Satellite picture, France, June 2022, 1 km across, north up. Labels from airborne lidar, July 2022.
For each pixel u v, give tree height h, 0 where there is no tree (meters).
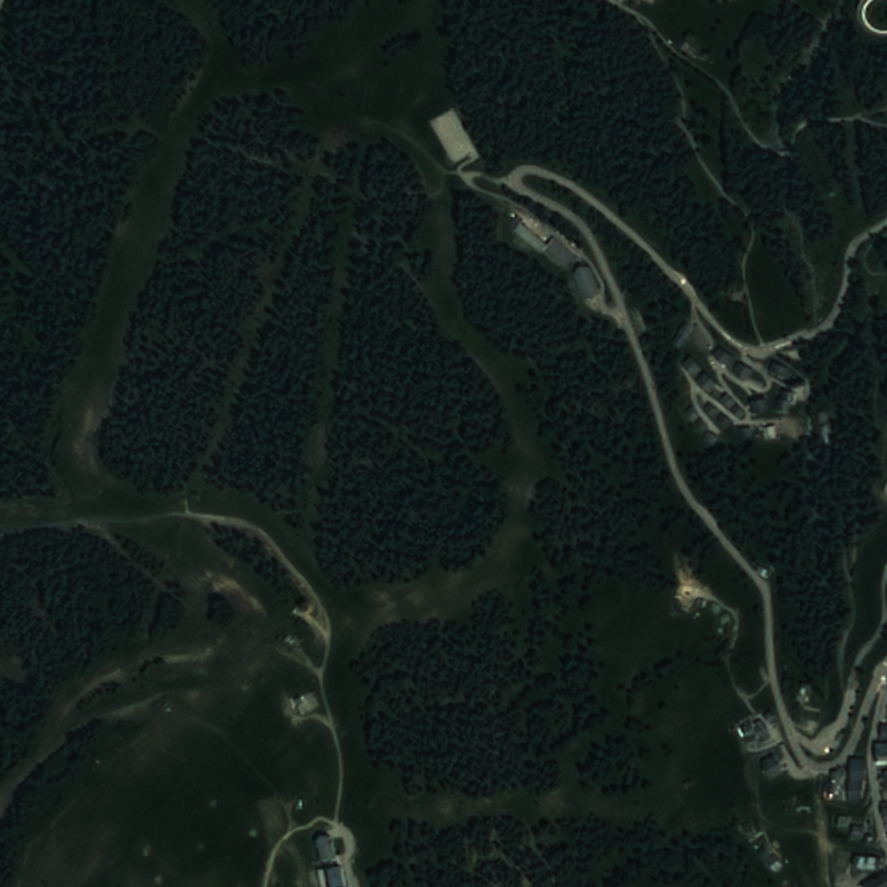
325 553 22
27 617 13
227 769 0
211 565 0
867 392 23
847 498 22
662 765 0
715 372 0
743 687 0
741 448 11
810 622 15
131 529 0
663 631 0
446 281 0
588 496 30
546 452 0
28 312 15
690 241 29
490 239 24
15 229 32
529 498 0
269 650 0
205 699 0
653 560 21
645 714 0
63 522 0
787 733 0
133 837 0
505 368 0
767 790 0
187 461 25
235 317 25
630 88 28
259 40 32
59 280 8
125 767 0
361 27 0
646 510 15
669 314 24
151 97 17
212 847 0
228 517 0
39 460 14
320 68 0
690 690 0
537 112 21
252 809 0
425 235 0
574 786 0
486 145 28
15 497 24
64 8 32
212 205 25
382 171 19
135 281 0
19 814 14
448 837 20
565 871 23
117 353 0
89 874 0
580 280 0
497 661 26
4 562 13
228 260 25
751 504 20
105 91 23
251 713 0
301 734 0
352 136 0
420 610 0
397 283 30
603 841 20
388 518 13
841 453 21
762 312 0
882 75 17
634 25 16
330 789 0
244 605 0
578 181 11
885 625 0
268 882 0
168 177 0
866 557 0
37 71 8
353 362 23
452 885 15
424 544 10
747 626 0
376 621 0
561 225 16
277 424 26
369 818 0
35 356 7
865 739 0
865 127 21
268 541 0
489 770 24
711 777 0
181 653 0
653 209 22
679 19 0
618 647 0
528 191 0
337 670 0
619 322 0
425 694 21
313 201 9
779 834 0
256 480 26
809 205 29
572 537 14
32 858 0
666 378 13
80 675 8
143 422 20
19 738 15
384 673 10
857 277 11
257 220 23
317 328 25
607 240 13
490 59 21
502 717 19
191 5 0
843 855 0
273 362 8
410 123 0
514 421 0
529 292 25
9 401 28
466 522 18
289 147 19
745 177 21
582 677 30
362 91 0
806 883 0
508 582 0
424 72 0
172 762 0
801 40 25
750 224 9
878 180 26
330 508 10
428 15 0
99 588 16
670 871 10
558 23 30
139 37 18
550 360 22
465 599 0
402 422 25
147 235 0
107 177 12
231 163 25
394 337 17
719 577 0
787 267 18
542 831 19
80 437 0
